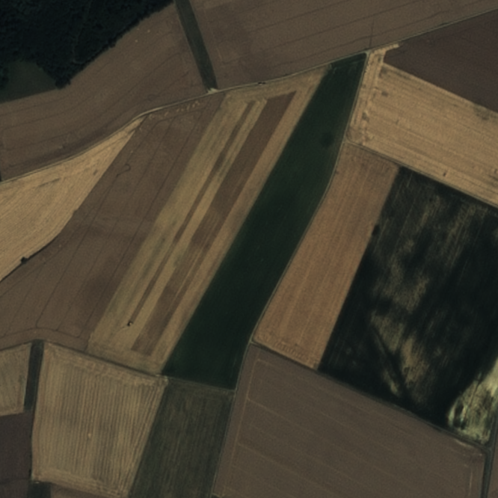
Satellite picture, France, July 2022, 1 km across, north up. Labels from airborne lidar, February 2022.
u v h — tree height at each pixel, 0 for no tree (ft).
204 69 0
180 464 0
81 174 0
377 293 0
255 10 0
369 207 0
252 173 0
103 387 0
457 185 0
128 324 0
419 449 0
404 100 0
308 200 0
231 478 0
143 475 0
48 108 0
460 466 0
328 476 0
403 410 0
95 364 0
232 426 0
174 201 0
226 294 0
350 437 0
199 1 0
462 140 0
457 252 0
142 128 0
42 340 0
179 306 0
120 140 0
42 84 0
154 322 0
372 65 0
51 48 59
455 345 0
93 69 0
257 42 0
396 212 0
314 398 0
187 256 0
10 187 0
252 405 0
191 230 0
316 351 0
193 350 0
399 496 0
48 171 0
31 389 0
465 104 0
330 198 0
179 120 0
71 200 0
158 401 0
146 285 0
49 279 0
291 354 0
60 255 0
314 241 0
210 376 0
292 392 0
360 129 0
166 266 0
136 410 0
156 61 0
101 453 0
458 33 0
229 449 0
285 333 0
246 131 0
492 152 0
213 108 0
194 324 0
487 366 0
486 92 0
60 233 0
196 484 0
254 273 0
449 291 0
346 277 0
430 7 0
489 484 0
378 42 0
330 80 0
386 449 0
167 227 0
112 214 0
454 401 0
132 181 0
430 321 0
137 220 0
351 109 0
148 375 0
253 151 0
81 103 0
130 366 0
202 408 0
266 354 0
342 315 0
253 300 0
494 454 0
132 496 0
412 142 0
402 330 0
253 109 0
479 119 0
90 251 0
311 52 0
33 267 0
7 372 0
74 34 48
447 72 0
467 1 0
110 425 0
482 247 0
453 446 0
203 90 0
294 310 0
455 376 0
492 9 0
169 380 0
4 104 0
